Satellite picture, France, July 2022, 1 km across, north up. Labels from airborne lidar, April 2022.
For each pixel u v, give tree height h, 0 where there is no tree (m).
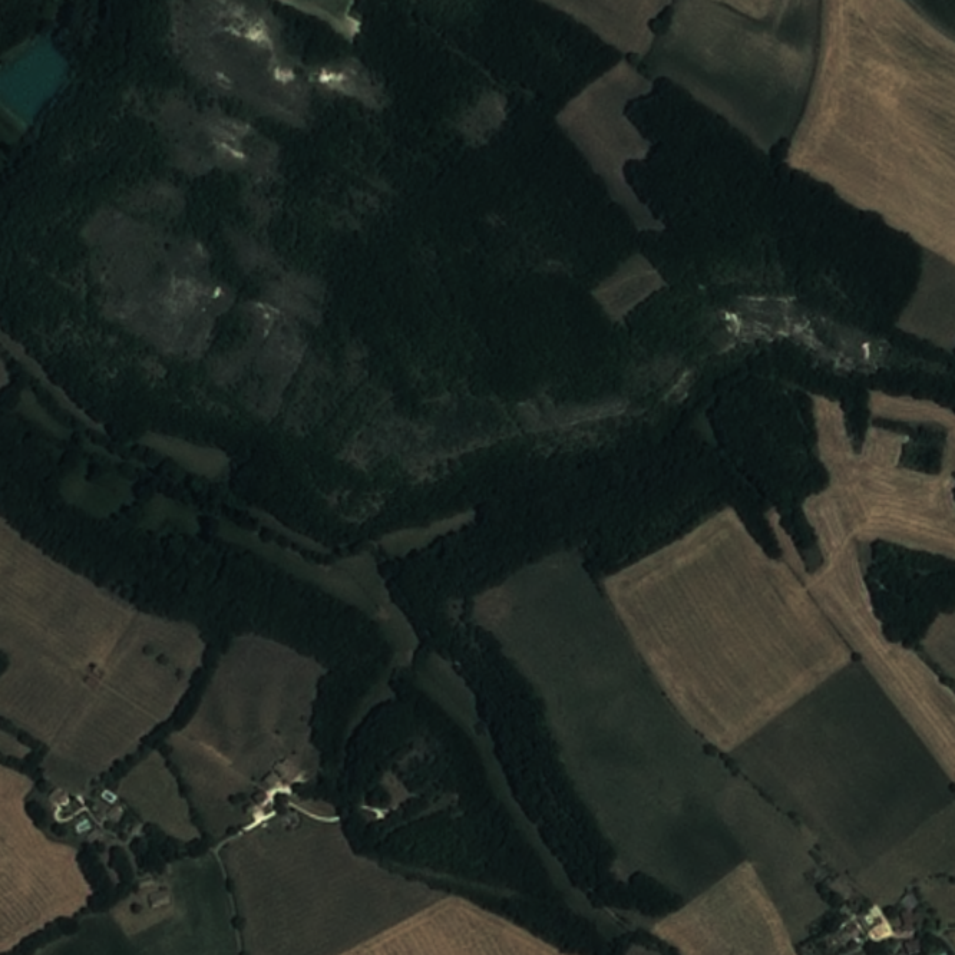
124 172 11
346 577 0
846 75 0
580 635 0
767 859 0
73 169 10
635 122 11
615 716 0
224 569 16
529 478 18
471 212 15
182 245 0
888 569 8
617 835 0
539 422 0
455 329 9
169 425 13
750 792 0
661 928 0
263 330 0
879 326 11
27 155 14
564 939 14
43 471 24
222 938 0
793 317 0
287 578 13
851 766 0
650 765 0
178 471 14
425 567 20
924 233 0
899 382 13
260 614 10
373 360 8
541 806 10
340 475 11
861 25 0
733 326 0
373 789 12
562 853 12
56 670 0
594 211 14
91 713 0
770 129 0
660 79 7
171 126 0
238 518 32
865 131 0
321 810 0
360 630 9
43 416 0
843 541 0
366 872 0
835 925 12
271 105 0
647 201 14
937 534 0
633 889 14
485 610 0
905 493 0
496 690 13
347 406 7
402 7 7
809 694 0
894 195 0
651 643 0
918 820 0
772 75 0
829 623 0
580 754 0
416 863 10
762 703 0
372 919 0
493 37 10
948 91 0
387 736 15
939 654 0
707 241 13
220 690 0
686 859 0
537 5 14
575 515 16
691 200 17
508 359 9
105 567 12
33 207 8
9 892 0
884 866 0
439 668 0
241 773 0
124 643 0
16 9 11
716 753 7
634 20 0
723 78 0
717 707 0
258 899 0
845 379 11
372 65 7
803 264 14
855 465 0
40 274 8
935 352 9
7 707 0
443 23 9
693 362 7
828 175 0
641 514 12
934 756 0
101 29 18
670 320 9
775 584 0
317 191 8
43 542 12
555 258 11
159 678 0
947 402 16
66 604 0
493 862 13
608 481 21
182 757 0
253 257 0
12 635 0
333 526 9
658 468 16
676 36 0
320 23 15
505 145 13
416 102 8
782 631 0
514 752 21
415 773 13
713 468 9
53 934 13
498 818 20
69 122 8
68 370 12
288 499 9
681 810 0
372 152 8
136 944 0
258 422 6
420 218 14
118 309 0
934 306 0
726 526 0
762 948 0
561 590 0
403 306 15
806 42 0
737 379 14
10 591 0
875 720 0
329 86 0
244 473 18
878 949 12
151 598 11
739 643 0
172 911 0
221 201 12
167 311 0
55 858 0
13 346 0
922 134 0
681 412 8
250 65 0
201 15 0
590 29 11
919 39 0
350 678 10
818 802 0
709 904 0
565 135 15
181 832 0
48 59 0
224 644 12
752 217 9
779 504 14
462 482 11
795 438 10
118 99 7
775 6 0
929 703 0
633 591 0
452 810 7
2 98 0
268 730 0
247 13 0
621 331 10
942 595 17
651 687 0
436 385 8
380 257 13
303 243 10
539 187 15
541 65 12
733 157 19
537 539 12
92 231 0
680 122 19
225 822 0
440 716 11
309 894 0
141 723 0
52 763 0
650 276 0
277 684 0
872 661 0
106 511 0
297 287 0
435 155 6
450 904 0
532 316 12
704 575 0
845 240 15
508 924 0
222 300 0
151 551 26
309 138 11
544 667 0
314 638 11
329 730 19
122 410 15
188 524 0
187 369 9
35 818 16
